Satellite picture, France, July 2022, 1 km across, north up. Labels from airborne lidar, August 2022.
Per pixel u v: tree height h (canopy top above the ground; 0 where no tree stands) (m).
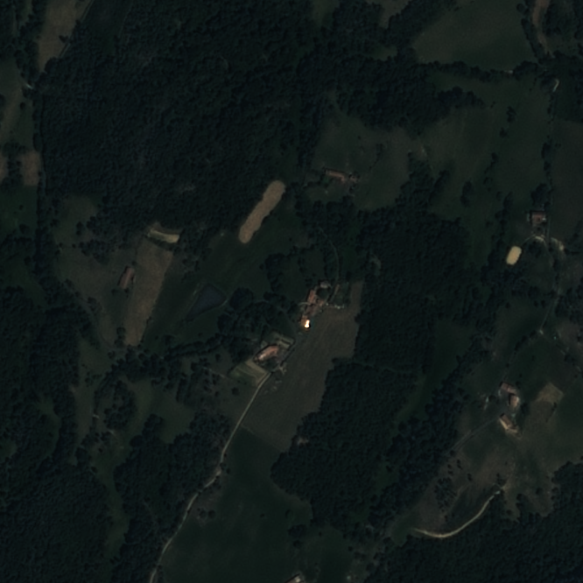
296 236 0
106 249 6
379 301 10
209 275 0
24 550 16
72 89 8
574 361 12
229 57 20
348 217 21
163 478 7
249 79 26
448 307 9
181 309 0
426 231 20
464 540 16
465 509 0
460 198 0
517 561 13
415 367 22
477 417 0
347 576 0
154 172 11
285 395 0
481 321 9
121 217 18
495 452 0
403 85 24
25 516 17
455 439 11
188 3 19
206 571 0
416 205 10
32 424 20
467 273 19
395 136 0
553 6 9
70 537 22
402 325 12
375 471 21
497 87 0
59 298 19
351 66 28
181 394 8
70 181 18
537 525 19
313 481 19
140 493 15
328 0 0
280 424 0
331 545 0
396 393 12
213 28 17
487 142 0
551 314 0
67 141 18
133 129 17
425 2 17
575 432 0
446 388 16
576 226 0
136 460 12
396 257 17
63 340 17
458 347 0
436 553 16
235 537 0
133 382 12
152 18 12
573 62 16
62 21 0
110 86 20
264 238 0
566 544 14
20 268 0
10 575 13
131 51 11
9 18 9
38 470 6
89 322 7
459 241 21
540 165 0
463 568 19
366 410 16
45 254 28
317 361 0
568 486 17
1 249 19
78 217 0
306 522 0
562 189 0
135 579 11
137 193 10
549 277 0
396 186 0
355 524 6
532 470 0
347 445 22
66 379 15
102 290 0
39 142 12
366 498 11
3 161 0
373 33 22
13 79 0
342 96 13
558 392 0
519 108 0
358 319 13
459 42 0
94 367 0
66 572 23
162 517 6
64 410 17
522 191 0
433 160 0
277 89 22
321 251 9
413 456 23
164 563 0
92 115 20
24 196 0
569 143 0
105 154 15
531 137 0
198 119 14
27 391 9
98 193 16
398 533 0
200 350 12
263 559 0
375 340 12
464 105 17
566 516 18
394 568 16
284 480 13
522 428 0
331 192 0
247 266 0
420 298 17
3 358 19
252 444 0
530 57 0
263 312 13
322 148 0
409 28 19
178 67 21
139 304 0
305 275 6
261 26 20
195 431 13
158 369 15
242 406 0
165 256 0
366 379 17
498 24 0
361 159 0
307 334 0
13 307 14
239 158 16
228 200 11
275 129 13
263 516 8
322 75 20
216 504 0
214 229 17
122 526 0
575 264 0
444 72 22
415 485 22
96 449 0
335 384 16
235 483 0
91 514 19
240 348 10
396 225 26
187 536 0
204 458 7
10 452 0
